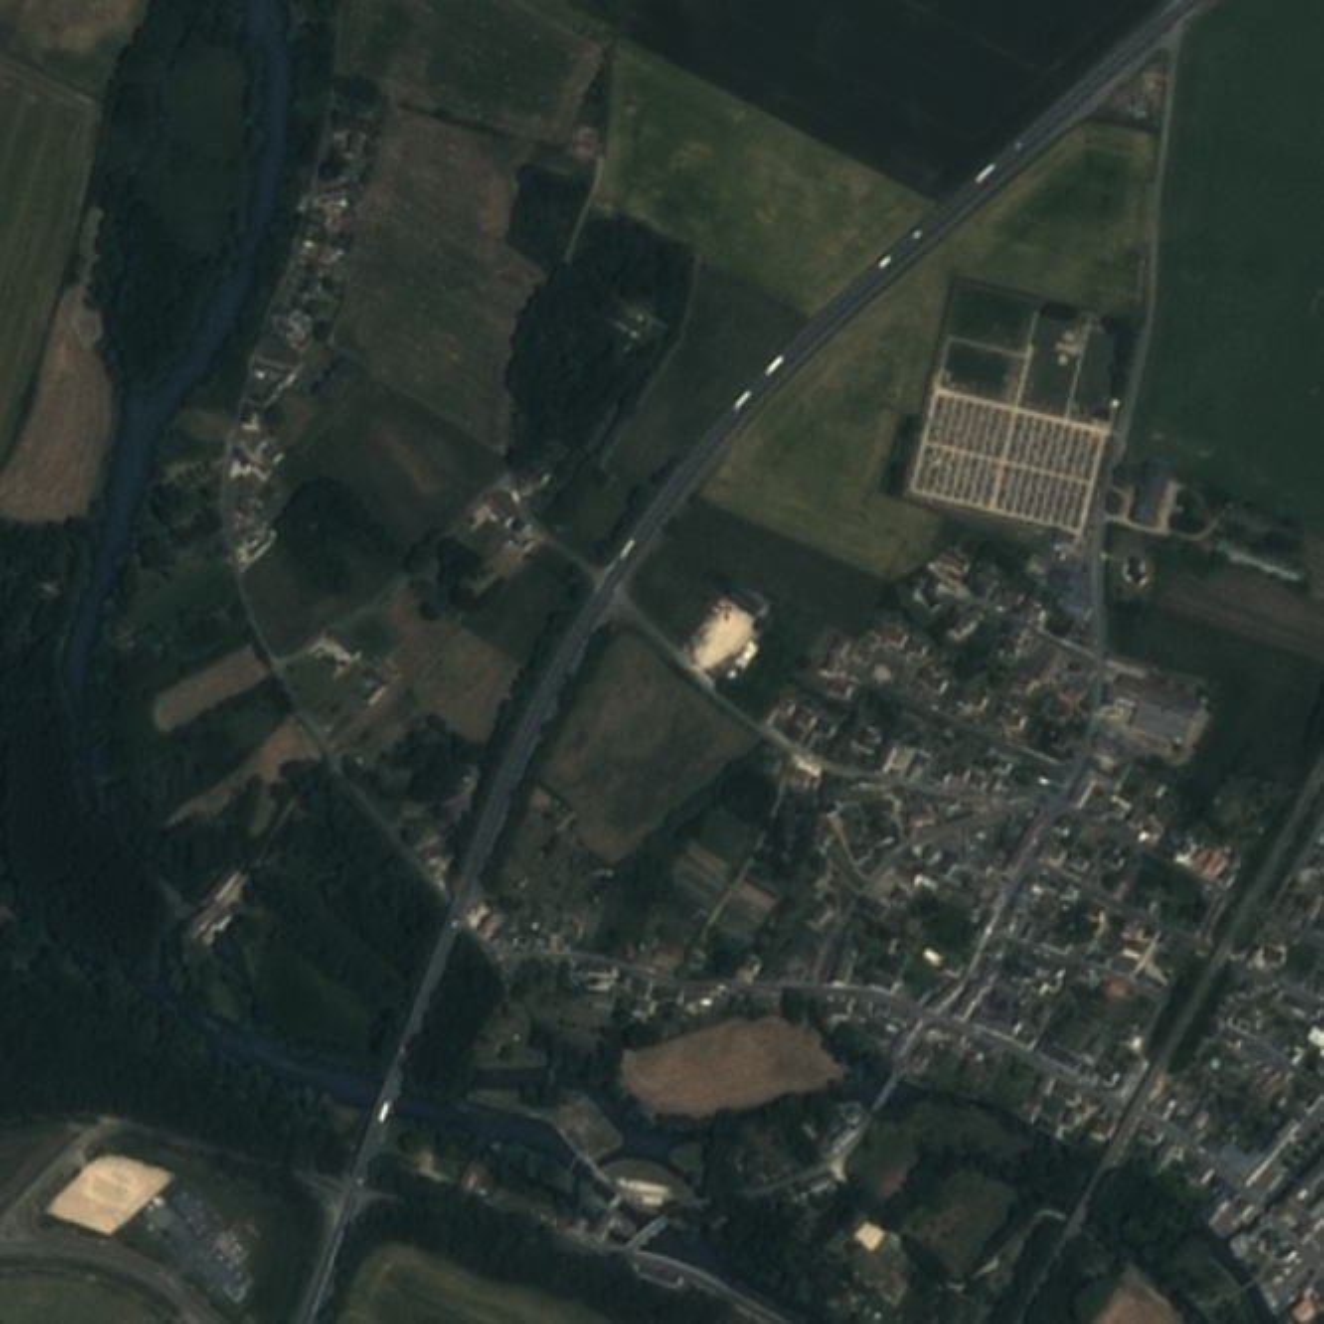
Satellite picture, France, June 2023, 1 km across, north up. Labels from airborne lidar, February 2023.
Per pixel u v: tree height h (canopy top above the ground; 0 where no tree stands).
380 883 18
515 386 17
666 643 0
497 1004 9
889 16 0
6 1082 16
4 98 0
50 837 32
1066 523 0
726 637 0
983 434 0
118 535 0
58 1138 0
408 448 0
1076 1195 16
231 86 0
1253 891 0
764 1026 0
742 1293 9
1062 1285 17
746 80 0
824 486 0
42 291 0
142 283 19
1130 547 0
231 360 9
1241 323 0
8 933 16
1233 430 0
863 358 0
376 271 0
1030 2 0
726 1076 0
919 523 0
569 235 5
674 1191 0
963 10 0
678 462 9
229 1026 0
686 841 10
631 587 0
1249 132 0
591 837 0
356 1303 0
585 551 0
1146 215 0
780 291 0
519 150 0
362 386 0
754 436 0
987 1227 0
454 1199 15
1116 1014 0
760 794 6
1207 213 0
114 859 32
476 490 0
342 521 12
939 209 0
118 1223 0
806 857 6
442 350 0
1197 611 0
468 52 0
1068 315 7
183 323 18
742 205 0
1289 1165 7
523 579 0
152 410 0
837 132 0
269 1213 0
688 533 0
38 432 0
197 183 0
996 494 0
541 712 0
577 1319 0
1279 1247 0
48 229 0
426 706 0
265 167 0
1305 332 0
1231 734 0
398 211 0
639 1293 13
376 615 0
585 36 0
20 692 31
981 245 0
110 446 0
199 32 12
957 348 0
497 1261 13
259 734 0
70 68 0
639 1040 22
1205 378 0
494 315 0
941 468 0
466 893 0
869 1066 13
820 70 0
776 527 0
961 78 0
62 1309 0
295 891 16
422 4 0
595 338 15
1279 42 0
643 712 0
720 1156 18
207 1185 0
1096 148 0
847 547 0
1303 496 0
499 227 0
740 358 0
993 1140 0
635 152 0
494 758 14
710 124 0
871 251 0
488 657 0
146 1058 15
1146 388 0
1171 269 0
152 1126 15
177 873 19
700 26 0
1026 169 0
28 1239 0
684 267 9
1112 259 0
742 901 0
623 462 0
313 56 20
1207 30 0
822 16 0
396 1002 19
